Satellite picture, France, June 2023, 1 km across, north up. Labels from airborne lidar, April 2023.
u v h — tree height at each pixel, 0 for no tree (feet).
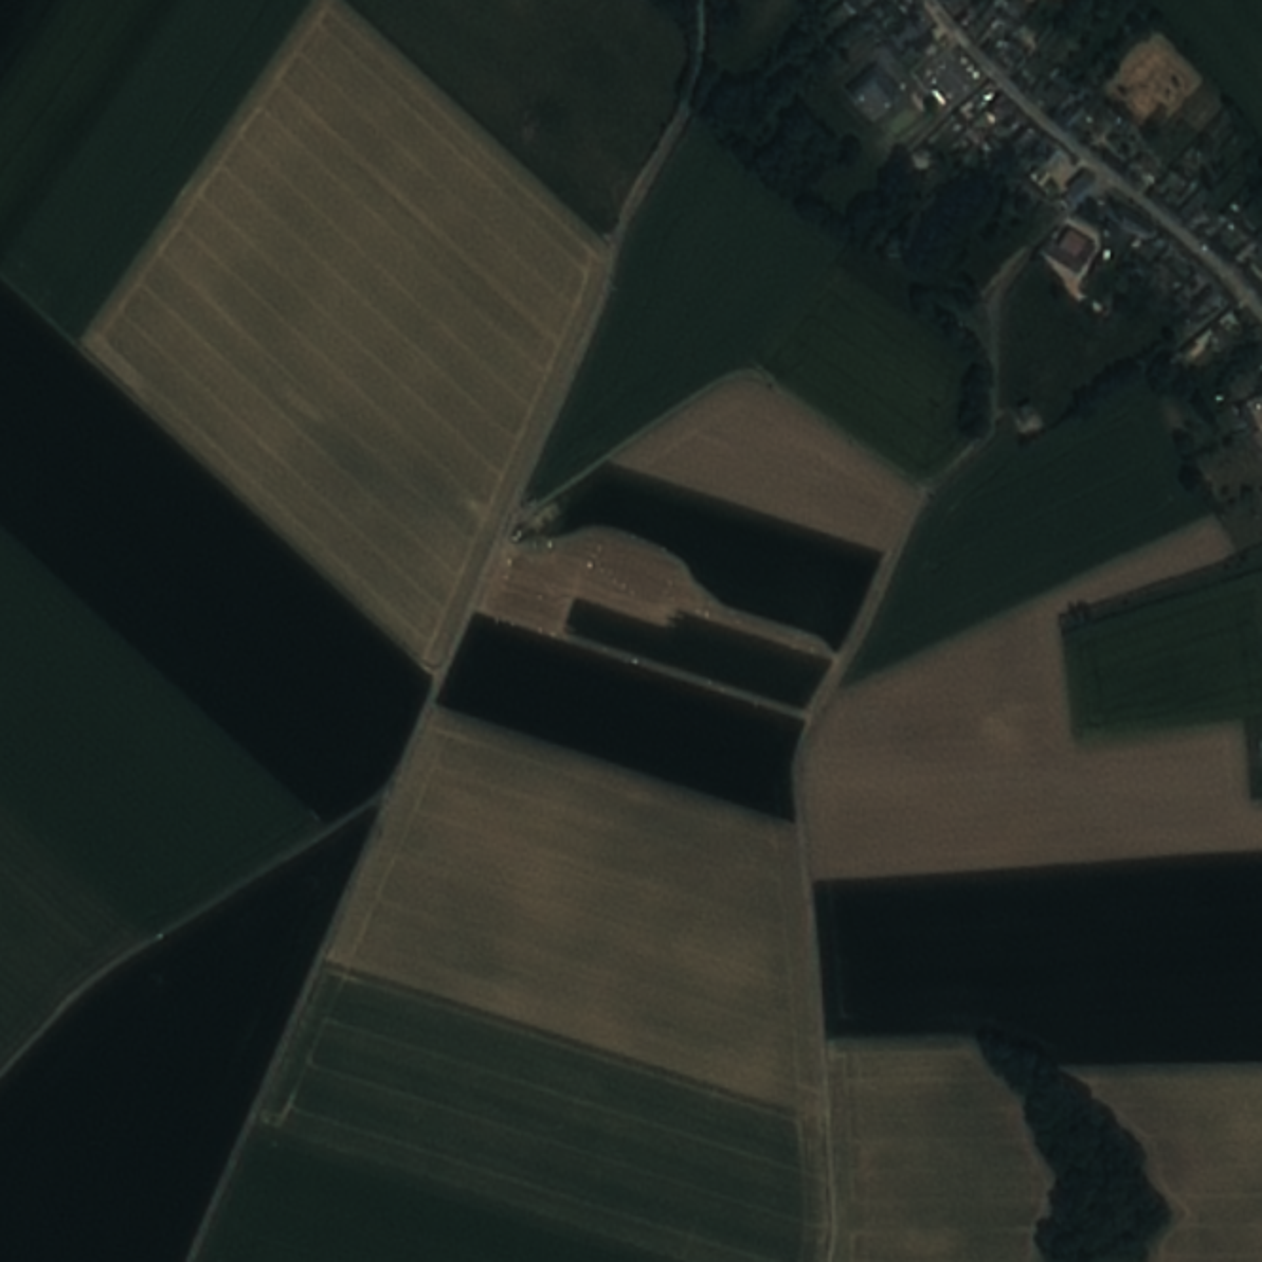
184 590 0
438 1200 0
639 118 0
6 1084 0
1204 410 52
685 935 0
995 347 0
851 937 0
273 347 0
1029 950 0
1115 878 0
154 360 0
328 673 0
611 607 0
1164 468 0
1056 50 0
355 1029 0
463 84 0
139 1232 0
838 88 0
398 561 0
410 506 0
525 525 0
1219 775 0
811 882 0
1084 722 0
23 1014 0
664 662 0
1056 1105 79
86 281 0
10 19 0
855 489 0
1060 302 30
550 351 0
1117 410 0
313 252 0
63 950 0
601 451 0
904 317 0
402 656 0
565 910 0
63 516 0
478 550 0
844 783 0
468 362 0
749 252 0
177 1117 0
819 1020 0
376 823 0
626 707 0
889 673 0
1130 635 0
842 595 0
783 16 0
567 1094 0
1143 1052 0
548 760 0
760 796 0
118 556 0
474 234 0
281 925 0
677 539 0
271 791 0
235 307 0
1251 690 0
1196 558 0
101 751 0
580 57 0
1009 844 0
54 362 0
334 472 0
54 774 0
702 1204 0
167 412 0
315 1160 0
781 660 0
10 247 0
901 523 0
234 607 0
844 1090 0
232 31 0
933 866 0
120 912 0
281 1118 0
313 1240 0
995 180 26
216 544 0
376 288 0
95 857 0
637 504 0
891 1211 0
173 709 0
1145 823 0
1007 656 0
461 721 0
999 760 0
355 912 0
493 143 0
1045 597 0
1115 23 31
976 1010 0
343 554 0
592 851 0
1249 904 0
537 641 0
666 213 0
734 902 0
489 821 0
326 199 0
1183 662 0
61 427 0
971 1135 0
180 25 0
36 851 0
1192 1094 0
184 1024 0
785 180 27
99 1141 0
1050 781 0
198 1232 0
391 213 0
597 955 0
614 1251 0
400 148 0
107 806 0
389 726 0
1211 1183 0
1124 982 0
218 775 0
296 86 0
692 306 0
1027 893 0
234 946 0
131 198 0
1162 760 0
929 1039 0
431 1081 0
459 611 0
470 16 0
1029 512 0
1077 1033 0
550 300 0
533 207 0
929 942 0
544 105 0
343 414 0
